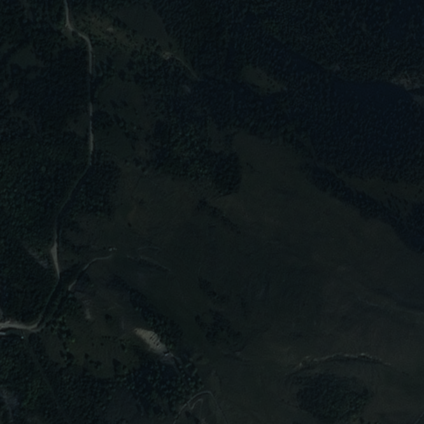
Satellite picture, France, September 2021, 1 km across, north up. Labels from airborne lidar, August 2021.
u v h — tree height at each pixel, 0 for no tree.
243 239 0
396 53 14
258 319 0
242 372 0
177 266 0
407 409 0
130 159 0
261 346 0
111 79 11
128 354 0
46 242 9
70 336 12
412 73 16
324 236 0
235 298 0
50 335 0
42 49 17
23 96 10
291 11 18
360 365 0
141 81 21
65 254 0
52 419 10
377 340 0
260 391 0
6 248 15
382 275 0
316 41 8
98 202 11
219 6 19
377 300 0
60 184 21
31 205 17
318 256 0
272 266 0
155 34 0
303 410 6
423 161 11
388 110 20
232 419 0
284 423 0
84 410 15
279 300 0
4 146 15
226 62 11
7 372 11
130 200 0
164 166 19
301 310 0
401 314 0
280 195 0
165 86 8
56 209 9
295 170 0
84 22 11
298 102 12
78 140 11
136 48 6
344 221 0
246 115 22
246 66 11
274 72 11
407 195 0
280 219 0
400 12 25
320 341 0
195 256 0
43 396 12
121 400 0
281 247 0
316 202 0
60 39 11
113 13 0
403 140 29
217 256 0
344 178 0
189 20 29
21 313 8
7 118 7
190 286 0
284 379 0
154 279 0
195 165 10
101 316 0
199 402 0
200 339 0
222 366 0
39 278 11
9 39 17
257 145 0
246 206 0
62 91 14
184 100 9
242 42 22
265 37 17
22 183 15
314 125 18
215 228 0
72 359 15
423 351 0
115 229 0
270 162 0
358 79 8
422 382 0
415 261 0
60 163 16
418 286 0
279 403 0
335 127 21
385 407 0
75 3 14
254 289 0
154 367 15
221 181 12
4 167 14
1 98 11
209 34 21
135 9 0
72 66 17
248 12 8
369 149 21
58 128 11
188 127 9
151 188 0
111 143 0
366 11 9
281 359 0
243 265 0
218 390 0
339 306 0
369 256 0
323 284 0
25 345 8
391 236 0
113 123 14
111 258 0
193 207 0
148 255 0
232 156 10
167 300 0
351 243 0
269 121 21
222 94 26
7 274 13
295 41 18
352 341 0
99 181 10
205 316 0
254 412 0
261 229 0
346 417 11
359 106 10
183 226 0
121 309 0
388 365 0
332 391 15
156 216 0
